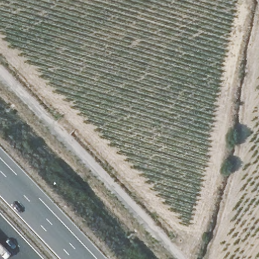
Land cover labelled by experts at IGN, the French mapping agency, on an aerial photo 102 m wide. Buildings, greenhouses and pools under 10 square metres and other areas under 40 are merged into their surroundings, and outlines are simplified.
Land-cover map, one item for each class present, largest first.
<instances>
[{"label":"vineyard","instance_id":"1","mask_svg":"<svg viewBox=\"0 0 259 259\"><path fill-rule=\"evenodd\" d=\"M238 0H0V34L5 35L3 40L9 42V49L19 50L18 57L27 58L26 63L37 67L41 74L40 78L49 80L50 86L54 87L58 94L66 96L64 101L68 102L71 108L80 110L78 115L83 116L84 123L96 125L94 131L98 132V137L109 140V147L118 149L117 155L126 156L125 161L131 169L143 171L140 176L148 178L147 184L154 185L150 190L156 192L157 197L165 198L164 204L170 206V211L179 213V225L189 226L210 158L207 154L211 147L209 137L214 127L215 108L219 107L214 102L221 91V77L224 73L226 54L229 52L232 25L234 18L238 17L235 13ZM257 1V9L247 51L246 77L241 92L244 104L239 110L240 123L247 125L252 134L243 144L238 145L236 129L231 127L227 133V145L235 147L234 156L240 158L241 165L232 173L231 164L227 159L222 164L221 174H229L230 177L220 204L217 226L203 259H259V0H253Z\"/></svg>","mask_w":259,"mask_h":259},{"label":"plowed land","instance_id":"2","mask_svg":"<svg viewBox=\"0 0 259 259\"><path fill-rule=\"evenodd\" d=\"M235 13L238 17L234 18L232 25L229 52L226 54L224 73L221 77V91L214 102L219 107L215 108L214 127L209 137L211 147L207 154L210 158L189 226L179 225V213L170 211V206L164 204L165 198L157 197L156 192L150 190L154 185L147 184L148 178L140 176L143 171L131 169L125 161L126 156L117 155L118 149L109 147V140L98 137V132L94 131L96 125L84 123L83 116L78 115L80 110L71 108L68 102L64 101L66 96L58 94L54 87L50 86L49 80L40 78L41 74L37 67L26 63L27 58L18 57L19 50L9 49V42L3 40L5 35L0 34V65L35 98L39 105L63 125L65 131L129 197L141 206L155 225L189 259H203L217 226L220 204L230 177L229 174H221L222 164L227 159L231 164L232 173L241 165L240 158L234 156L235 147L227 145V133L231 127L236 129L238 145L243 144L252 134L247 125L240 123L239 110L244 104L241 92L246 77L247 51L257 9V1L253 0H238ZM0 97L11 105L6 112L17 110L18 115L36 135L44 139L58 157L88 182L108 210L119 219L124 232H131L127 239L138 237L158 259H176L164 247L163 241L153 238L134 217V212L125 207L122 200L111 193L104 182L86 167L72 148L63 142L55 128L38 118L19 96L0 80Z\"/></svg>","mask_w":259,"mask_h":259},{"label":"impervious surface","instance_id":"3","mask_svg":"<svg viewBox=\"0 0 259 259\"><path fill-rule=\"evenodd\" d=\"M85 219L78 217L66 201L55 193L0 136V259H117L105 243L84 224Z\"/></svg>","mask_w":259,"mask_h":259},{"label":"brushwood","instance_id":"4","mask_svg":"<svg viewBox=\"0 0 259 259\"><path fill-rule=\"evenodd\" d=\"M11 105L0 97V136L55 193L66 201L78 217L85 219L84 224L105 243L117 259H158L138 237L127 239L131 232H124L119 219L108 210L88 182L58 157L44 139L36 135L18 115L17 110L6 112Z\"/></svg>","mask_w":259,"mask_h":259},{"label":"pervious surface","instance_id":"5","mask_svg":"<svg viewBox=\"0 0 259 259\"><path fill-rule=\"evenodd\" d=\"M0 80L19 96L38 118L55 128L63 142L72 148L86 167L104 182L111 193L122 200L125 207L134 212V217L153 238L163 241L164 247L176 259H189L155 225L141 206L129 197L65 131L63 125L39 105L35 98L0 65Z\"/></svg>","mask_w":259,"mask_h":259}]
</instances>
